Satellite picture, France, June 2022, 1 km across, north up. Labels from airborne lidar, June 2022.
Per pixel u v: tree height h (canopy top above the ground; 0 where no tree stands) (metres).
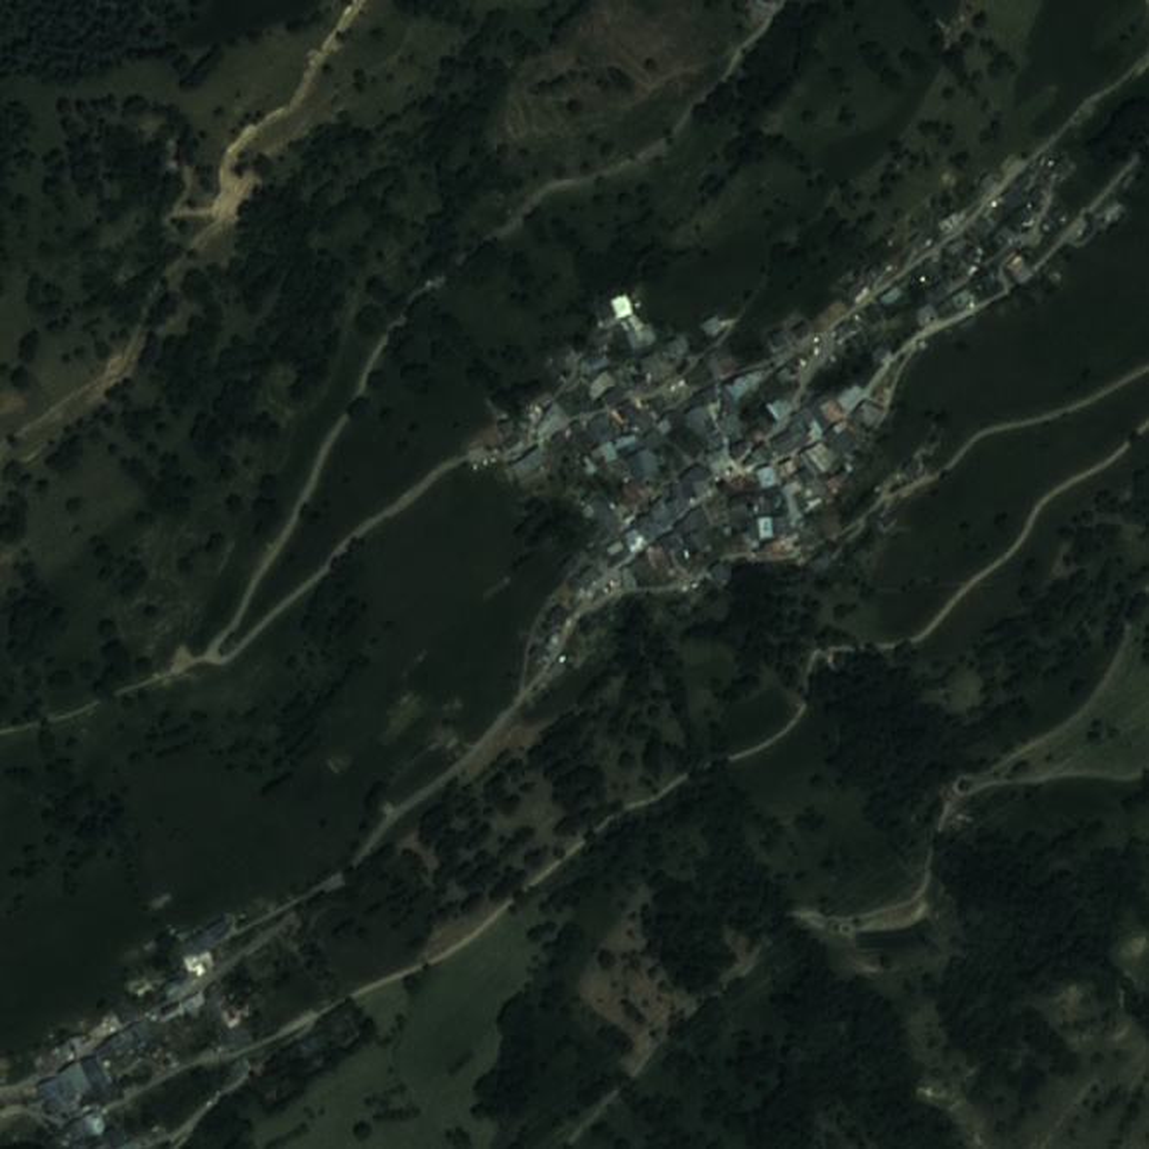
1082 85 0
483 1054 0
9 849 0
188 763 0
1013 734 0
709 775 14
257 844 0
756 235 0
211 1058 0
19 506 15
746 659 16
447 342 16
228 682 0
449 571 0
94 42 22
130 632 0
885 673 14
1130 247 0
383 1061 0
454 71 19
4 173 16
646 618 8
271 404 0
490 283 16
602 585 0
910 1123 11
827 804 0
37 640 17
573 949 14
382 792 18
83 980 0
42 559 0
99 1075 0
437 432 0
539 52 8
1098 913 9
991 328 0
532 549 16
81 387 0
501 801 11
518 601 0
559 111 0
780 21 12
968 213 0
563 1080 0
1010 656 12
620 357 6
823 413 0
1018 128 0
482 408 0
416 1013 0
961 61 14
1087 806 0
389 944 0
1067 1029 7
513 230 0
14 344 0
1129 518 7
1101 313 0
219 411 18
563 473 7
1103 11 0
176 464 19
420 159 10
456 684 0
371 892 0
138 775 0
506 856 10
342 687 15
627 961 6
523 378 0
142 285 17
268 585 0
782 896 15
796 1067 19
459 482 0
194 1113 0
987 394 0
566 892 10
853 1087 14
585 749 8
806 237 0
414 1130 0
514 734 0
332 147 13
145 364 12
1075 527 10
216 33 0
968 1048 13
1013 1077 7
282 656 0
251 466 9
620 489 8
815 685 16
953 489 0
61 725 0
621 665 12
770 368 6
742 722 0
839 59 0
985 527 0
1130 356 0
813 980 24
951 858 42
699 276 0
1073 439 0
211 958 0
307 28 11
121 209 7
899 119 0
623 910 8
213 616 0
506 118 0
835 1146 17
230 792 0
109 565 11
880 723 30
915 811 7
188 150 23
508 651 0
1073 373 0
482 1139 0
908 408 6
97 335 9
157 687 0
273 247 7
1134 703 0
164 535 0
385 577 0
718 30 0
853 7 18
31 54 19
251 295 13
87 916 0
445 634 0
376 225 8
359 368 0
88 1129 0
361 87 12
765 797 0
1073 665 14
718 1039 18
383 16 0
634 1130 0
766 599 23
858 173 0
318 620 16
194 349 14
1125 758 0
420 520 0
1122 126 16
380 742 0
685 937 7
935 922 0
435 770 0
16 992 0
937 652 0
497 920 0
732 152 13
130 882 7
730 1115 18
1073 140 0
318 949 9
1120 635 13
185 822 0
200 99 0
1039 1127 0
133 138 8
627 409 0
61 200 11
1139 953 0
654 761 16
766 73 18
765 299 0
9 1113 0
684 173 0
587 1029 0
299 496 0
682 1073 17
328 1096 0
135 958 0
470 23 12
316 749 8
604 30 0
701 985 13
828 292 0
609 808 10
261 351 13
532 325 0
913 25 0
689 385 0
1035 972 6
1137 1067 0
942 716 17
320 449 0
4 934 0
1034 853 20
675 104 0
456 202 17
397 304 14
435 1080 0
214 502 0
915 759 22
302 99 0
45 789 0
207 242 0
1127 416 0
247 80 0
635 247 7
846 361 7
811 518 6
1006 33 0
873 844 0
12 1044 0
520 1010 22
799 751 0
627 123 0
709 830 11
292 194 13
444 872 12
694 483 0
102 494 0
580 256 12
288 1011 0
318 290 8
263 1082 6
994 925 13
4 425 0
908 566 0
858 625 0
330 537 0
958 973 17
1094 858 10
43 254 10
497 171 11
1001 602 0
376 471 0
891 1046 15
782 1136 23
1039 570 14
